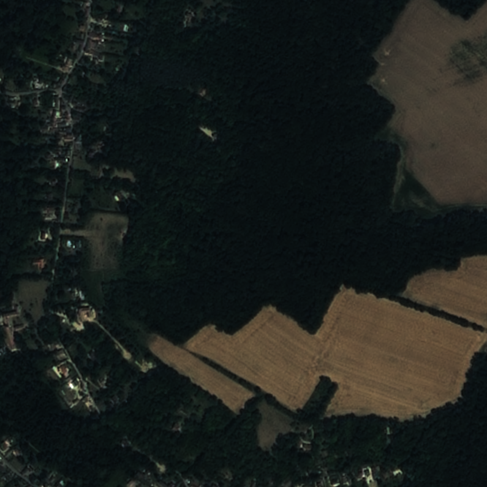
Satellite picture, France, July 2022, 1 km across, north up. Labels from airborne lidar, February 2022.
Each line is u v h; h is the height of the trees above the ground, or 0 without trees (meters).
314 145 23
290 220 14
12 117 18
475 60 0
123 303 19
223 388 0
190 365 0
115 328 8
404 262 16
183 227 19
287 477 12
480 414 21
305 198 21
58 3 26
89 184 10
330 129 25
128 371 15
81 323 0
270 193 24
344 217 27
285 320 0
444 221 22
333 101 24
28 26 27
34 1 27
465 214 22
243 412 13
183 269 18
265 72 23
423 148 0
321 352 0
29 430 13
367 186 24
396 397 0
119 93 7
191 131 15
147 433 21
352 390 0
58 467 20
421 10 0
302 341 0
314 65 23
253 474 24
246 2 16
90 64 14
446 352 0
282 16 22
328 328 0
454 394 0
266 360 0
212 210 25
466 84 0
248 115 20
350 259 22
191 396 14
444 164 0
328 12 27
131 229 11
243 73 17
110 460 20
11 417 26
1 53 25
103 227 0
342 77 21
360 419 7
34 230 9
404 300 10
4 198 34
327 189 25
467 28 0
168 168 25
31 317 13
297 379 0
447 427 13
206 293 25
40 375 10
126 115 22
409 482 21
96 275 0
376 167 26
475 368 19
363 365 0
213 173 16
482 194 0
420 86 0
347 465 14
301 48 27
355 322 0
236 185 20
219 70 22
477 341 0
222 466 10
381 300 0
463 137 0
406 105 0
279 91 25
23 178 21
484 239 26
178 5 15
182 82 18
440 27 0
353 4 26
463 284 0
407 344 0
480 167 0
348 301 0
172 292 21
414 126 0
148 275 7
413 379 0
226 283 25
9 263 24
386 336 0
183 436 15
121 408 12
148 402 20
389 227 14
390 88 0
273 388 0
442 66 0
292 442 16
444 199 0
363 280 23
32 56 0
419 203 0
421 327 0
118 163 19
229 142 21
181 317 23
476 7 14
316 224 24
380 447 16
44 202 8
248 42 22
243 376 0
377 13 24
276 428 0
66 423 28
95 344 21
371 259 27
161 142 22
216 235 21
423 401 0
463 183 0
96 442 27
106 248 0
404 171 0
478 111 0
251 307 22
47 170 7
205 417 10
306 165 24
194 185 18
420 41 0
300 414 12
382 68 0
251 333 0
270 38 27
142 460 21
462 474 25
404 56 0
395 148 17
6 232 34
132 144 18
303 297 27
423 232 27
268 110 15
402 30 0
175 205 12
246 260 29
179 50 12
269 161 29
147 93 20
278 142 28
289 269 26
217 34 21
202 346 0
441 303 0
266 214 21
